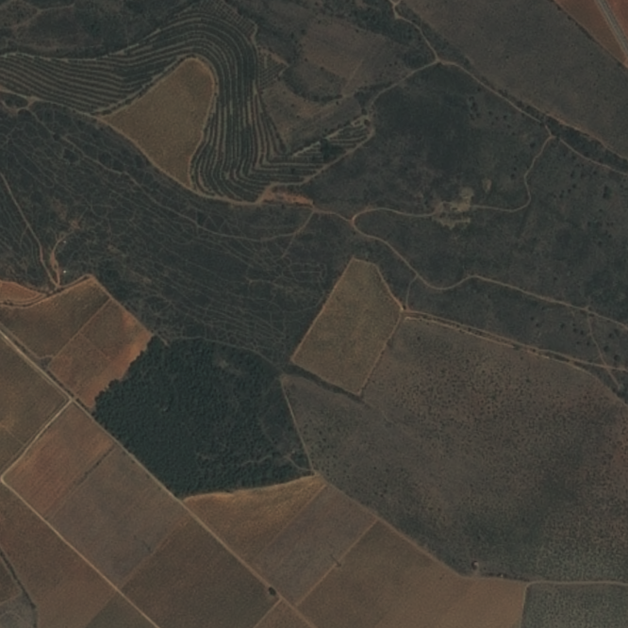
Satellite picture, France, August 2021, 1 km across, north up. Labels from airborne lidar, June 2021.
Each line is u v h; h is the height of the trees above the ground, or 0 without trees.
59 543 0
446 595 0
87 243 0
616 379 0
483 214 0
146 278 0
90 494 0
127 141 0
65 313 0
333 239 0
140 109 0
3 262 0
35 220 0
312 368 0
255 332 0
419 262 0
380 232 0
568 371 0
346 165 0
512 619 0
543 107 0
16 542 0
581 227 0
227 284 0
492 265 0
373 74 0
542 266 0
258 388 9
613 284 0
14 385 0
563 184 0
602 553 0
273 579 0
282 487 0
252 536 0
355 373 0
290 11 0
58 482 0
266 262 0
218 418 7
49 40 0
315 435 0
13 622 0
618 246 0
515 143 0
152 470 6
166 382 8
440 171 0
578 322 0
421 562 0
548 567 0
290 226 0
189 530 0
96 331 0
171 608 0
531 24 0
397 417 0
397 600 0
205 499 0
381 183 0
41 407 0
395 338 0
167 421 9
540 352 0
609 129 0
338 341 0
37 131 0
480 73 0
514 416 0
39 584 0
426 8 0
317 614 0
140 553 0
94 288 0
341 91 0
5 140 0
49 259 0
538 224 0
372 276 0
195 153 0
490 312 0
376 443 0
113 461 0
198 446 10
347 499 0
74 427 0
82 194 0
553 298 0
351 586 0
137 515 0
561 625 0
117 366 0
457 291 0
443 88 0
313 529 0
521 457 0
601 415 0
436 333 0
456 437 0
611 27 0
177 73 0
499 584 0
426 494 0
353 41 0
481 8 0
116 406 11
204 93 0
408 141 0
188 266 0
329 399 0
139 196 0
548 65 0
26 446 0
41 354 0
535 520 0
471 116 6
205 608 0
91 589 0
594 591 0
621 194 0
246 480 9
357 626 0
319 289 0
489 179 0
